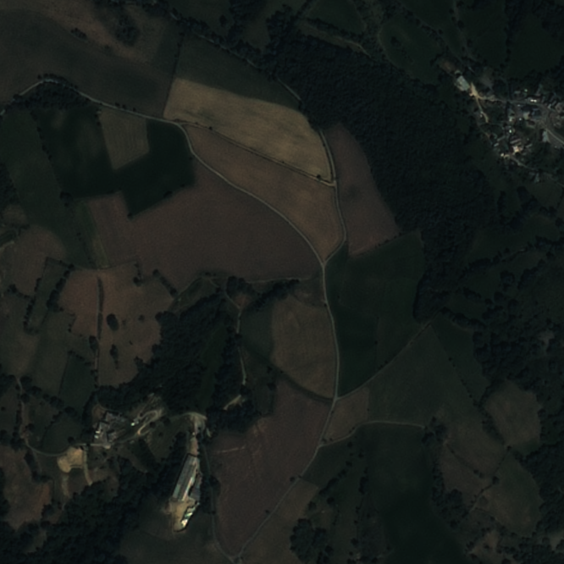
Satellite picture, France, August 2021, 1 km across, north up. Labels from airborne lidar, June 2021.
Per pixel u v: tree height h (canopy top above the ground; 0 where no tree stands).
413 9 0
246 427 16
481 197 23
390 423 0
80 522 11
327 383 0
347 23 0
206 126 0
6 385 19
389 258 0
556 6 13
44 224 0
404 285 0
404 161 19
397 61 0
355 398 0
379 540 0
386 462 0
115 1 10
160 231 0
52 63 0
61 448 0
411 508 0
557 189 0
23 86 0
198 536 0
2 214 0
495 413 0
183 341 18
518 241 0
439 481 10
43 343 0
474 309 0
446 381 0
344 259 0
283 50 17
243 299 0
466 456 0
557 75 14
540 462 12
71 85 8
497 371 18
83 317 0
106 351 0
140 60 0
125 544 0
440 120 17
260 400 0
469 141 20
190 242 0
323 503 0
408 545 0
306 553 17
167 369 20
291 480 7
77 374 0
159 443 0
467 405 0
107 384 0
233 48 13
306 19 8
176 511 0
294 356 0
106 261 0
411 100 18
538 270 10
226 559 0
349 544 0
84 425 13
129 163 0
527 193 17
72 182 0
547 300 0
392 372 0
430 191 19
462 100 7
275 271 0
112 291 0
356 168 0
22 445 15
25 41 0
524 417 0
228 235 0
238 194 0
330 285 0
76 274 0
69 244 0
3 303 0
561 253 16
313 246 0
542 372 0
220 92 0
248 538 0
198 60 0
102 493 13
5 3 0
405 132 23
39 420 0
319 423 0
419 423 0
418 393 0
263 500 0
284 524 0
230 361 25
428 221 17
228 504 0
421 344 0
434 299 29
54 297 15
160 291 0
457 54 0
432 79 0
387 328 0
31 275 0
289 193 0
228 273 0
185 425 0
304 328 0
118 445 10
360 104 17
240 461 0
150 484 11
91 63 0
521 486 0
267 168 0
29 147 0
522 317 7
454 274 29
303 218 0
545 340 0
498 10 0
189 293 0
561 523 12
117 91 0
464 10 10
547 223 0
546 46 0
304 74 14
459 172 18
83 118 0
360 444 0
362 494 15
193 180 0
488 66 10
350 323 0
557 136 0
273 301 7
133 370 0
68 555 27
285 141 0
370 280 0
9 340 0
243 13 16
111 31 0
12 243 0
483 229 14
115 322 20
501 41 0
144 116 0
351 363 0
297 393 0
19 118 0
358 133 13
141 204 0
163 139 0
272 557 0
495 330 18
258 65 14
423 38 0
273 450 0
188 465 0
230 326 14
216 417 11
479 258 0
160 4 12
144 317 11
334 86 15
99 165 0
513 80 7
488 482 0
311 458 0
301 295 0
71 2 0
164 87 0
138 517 23
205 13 0
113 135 0
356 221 0
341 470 0
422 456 0
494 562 0
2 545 22
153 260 0
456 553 0
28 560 19
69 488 0
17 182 0
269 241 0
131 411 13
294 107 0
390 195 14
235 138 0
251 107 0
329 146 0
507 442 0
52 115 0
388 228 0
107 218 0
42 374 0
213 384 0
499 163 9
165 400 6
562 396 0
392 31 0
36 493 0
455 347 0
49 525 14
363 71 17
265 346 0
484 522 0
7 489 0
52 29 0
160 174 0
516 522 0
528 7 25
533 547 6
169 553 0
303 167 0
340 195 0
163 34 0
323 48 24
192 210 0
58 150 0
